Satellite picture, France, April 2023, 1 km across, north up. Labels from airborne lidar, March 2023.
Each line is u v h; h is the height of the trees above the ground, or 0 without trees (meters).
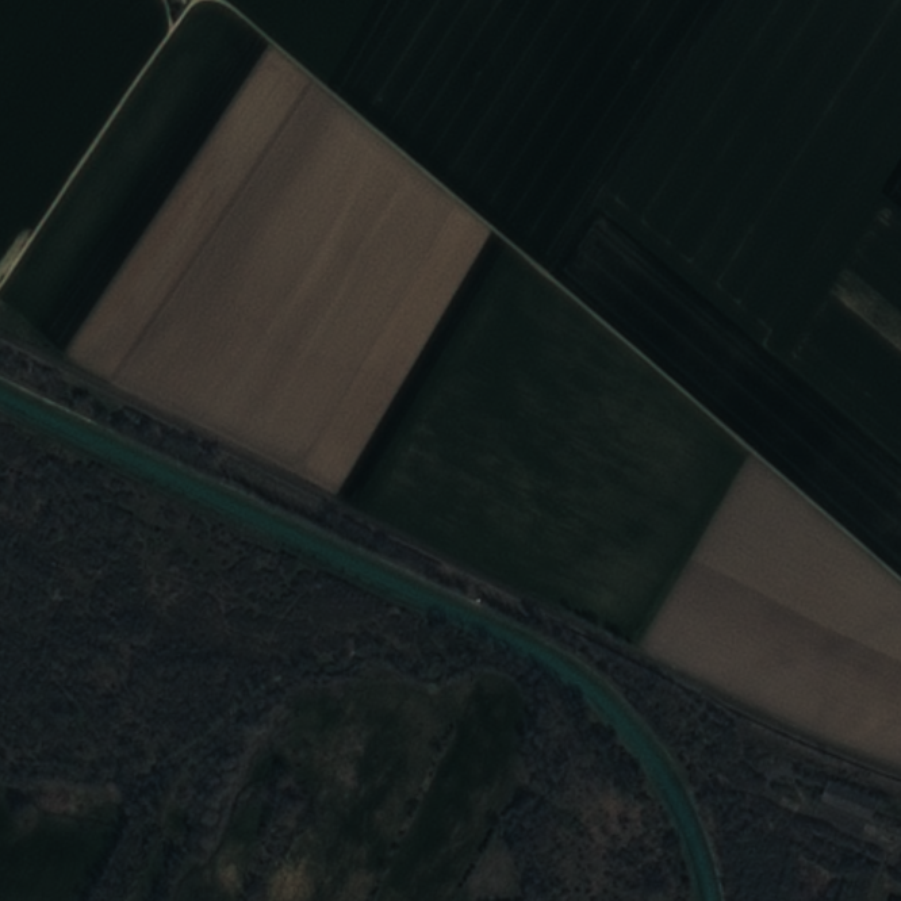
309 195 0
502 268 0
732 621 0
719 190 0
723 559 0
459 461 0
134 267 0
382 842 0
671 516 0
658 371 0
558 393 0
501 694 0
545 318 0
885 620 0
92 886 19
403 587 0
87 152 0
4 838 0
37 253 0
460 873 0
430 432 0
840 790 0
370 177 0
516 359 0
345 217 0
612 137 0
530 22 0
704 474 0
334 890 0
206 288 0
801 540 0
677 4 0
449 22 0
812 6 0
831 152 0
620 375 0
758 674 0
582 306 0
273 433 0
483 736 0
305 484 0
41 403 0
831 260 0
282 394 0
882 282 0
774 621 0
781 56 0
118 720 17
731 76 0
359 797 0
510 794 0
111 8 0
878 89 0
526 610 18
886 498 0
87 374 0
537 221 0
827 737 0
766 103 0
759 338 0
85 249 0
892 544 0
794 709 0
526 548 0
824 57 0
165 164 0
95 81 0
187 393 0
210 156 0
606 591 0
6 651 10
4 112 0
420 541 0
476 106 0
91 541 8
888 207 0
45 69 0
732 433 0
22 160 0
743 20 0
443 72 0
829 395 0
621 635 14
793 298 0
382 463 0
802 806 0
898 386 0
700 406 0
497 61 0
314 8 0
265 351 0
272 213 0
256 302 0
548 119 0
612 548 0
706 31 0
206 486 0
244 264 0
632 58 0
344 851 0
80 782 7
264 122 0
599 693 0
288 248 0
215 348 0
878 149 0
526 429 0
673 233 0
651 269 0
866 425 0
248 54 0
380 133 0
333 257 0
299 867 0
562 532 0
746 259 0
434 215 0
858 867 16
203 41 0
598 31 0
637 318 0
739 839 6
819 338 0
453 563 0
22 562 13
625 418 0
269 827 14
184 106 0
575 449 0
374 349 0
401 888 0
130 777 23
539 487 0
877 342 0
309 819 0
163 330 0
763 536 0
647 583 0
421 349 0
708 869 0
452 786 0
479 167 0
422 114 0
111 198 0
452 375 0
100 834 0
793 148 0
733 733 12
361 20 0
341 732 0
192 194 0
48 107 0
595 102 0
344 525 13
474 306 0
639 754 0
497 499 0
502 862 0
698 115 0
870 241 0
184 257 0
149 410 0
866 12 0
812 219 0
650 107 0
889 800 12
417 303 0
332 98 0
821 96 0
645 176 0
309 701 0
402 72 0
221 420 0
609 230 0
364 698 0
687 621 0
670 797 0
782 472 0
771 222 0
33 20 0
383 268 0
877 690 0
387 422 0
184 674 16
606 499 0
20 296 0
